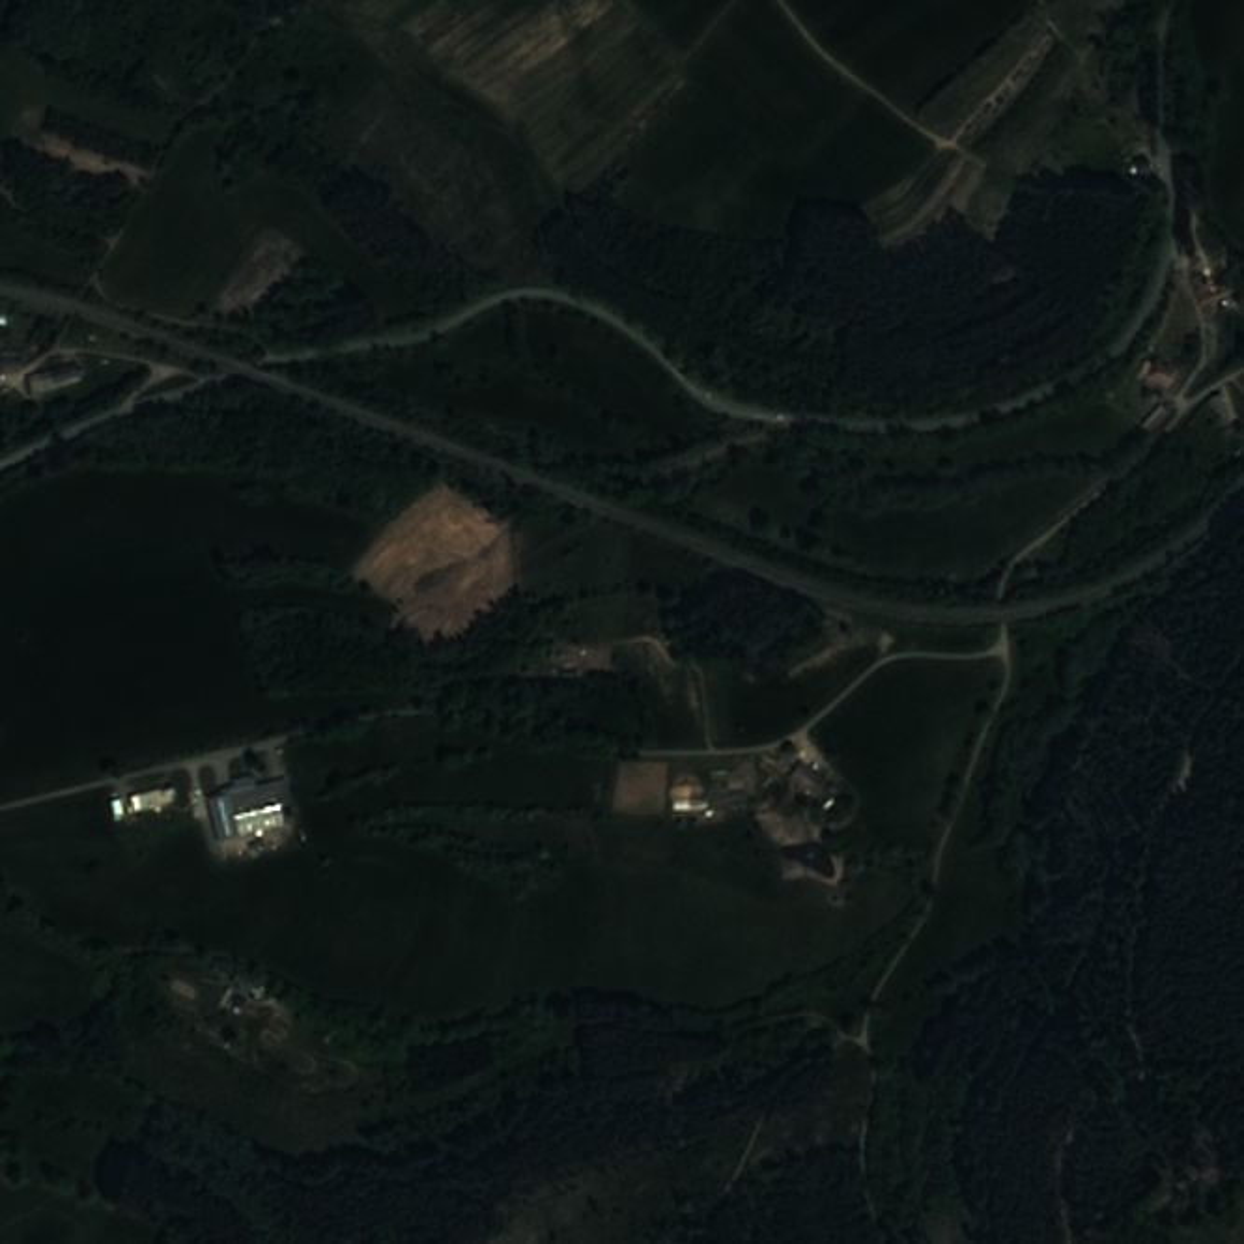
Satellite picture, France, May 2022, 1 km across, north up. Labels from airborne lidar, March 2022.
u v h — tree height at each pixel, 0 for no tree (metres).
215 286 0
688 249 9
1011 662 0
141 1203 32
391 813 7
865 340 19
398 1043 19
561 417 0
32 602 0
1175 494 22
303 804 0
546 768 0
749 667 21
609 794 0
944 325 20
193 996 0
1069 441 0
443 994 0
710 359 20
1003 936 0
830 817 6
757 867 0
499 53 0
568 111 0
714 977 0
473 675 13
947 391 24
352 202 29
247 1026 0
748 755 0
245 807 0
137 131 0
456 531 0
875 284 24
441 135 0
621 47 0
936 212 0
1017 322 29
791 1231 12
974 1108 23
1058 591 6
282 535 0
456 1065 14
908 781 0
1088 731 21
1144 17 20
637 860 0
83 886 0
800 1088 22
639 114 0
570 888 0
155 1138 27
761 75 0
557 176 0
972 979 19
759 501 0
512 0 0
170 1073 0
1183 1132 21
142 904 0
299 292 15
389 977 0
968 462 0
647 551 0
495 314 0
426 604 0
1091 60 0
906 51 0
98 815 0
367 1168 30
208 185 0
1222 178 0
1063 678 18
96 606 0
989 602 9
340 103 0
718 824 0
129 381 10
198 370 12
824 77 0
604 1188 0
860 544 0
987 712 14
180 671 0
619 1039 24
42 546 0
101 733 0
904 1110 18
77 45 17
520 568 0
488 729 17
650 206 0
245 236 0
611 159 0
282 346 19
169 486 0
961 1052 30
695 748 0
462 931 0
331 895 0
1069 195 21
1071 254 21
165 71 0
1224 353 0
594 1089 31
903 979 0
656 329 16
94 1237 0
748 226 0
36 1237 0
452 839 6
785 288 25
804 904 0
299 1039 0
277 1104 0
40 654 0
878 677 0
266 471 14
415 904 0
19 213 8
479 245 0
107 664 0
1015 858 20
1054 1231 23
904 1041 0
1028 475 16
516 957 0
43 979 0
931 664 0
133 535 0
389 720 15
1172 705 30
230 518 0
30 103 0
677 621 16
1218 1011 24
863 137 0
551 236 17
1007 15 0
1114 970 7
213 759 0
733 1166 0
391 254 26
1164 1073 31
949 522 0
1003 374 29
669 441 0
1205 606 12
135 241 0
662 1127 29
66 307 0
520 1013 9
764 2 0
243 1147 24
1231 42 0
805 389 13
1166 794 11
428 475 15
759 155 0
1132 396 0
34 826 0
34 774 0
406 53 0
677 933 0
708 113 0
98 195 18
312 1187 29
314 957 0
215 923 0
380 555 0
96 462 10
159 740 0
